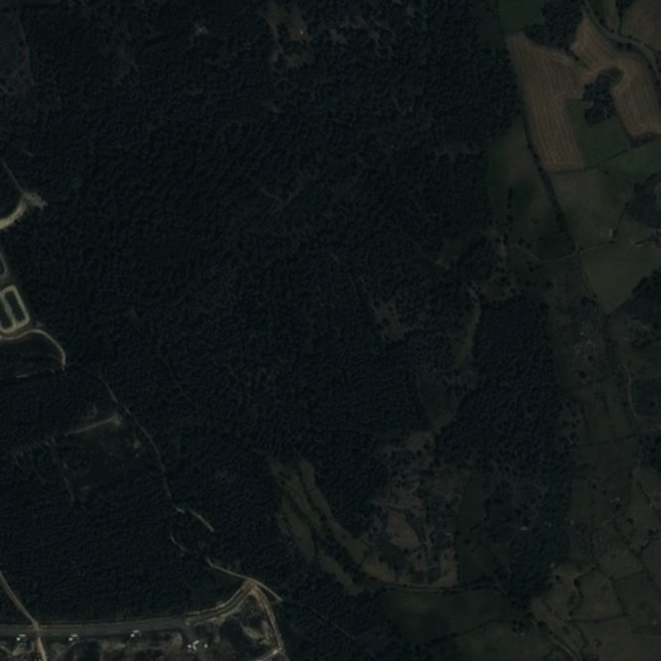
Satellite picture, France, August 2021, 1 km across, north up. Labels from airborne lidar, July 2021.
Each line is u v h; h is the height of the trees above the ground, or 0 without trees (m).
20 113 16
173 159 20
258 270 13
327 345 20
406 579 0
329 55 12
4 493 22
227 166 19
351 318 19
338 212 19
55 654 0
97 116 14
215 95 20
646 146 0
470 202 19
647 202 0
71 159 26
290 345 17
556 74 0
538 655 0
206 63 10
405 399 20
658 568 0
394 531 0
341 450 23
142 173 25
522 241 10
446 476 0
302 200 8
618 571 0
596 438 0
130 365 19
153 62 19
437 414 0
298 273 15
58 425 20
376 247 19
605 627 0
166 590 22
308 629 19
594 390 0
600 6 0
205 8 12
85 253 8
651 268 0
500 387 13
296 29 0
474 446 15
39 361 17
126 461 0
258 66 23
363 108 18
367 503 17
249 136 21
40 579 19
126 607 22
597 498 0
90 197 21
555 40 8
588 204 0
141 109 23
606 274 0
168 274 12
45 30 18
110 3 8
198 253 11
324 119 17
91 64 15
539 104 0
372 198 8
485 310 17
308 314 14
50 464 16
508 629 0
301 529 0
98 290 24
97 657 0
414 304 9
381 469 21
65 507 22
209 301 17
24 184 21
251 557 14
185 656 0
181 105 23
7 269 0
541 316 10
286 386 20
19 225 18
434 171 16
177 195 20
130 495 20
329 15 11
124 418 18
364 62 16
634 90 0
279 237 6
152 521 23
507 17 0
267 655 0
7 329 0
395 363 23
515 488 0
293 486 0
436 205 12
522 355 19
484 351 21
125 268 18
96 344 9
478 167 18
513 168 0
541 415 10
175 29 16
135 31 14
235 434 13
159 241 8
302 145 8
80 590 23
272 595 0
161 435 19
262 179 21
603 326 0
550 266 0
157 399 9
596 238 0
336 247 19
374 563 0
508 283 10
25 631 0
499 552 0
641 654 0
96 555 21
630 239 0
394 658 18
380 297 7
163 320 21
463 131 17
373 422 24
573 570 0
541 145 0
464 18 13
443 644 11
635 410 0
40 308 17
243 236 9
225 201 21
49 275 22
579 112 0
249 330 20
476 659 0
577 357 0
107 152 17
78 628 0
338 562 9
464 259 14
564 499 8
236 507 21
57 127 17
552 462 8
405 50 17
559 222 8
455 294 6
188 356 23
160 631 0
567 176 0
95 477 0
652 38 0
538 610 0
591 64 0
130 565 25
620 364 0
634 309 0
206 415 13
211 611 0
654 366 0
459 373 12
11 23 6
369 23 14
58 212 18
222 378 22
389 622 8
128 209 8
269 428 23
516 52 0
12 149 17
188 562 24
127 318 7
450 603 0
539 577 6
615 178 0
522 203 0
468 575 0
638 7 0
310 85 10
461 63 13
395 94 7
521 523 0
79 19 16
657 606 0
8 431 21
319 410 22
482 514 0
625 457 0
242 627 0
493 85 11
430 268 0
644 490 0
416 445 0
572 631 0
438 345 17
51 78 16
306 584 6
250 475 24
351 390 24
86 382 24
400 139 9
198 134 25
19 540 24
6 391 21
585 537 0
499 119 16
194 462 20
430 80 16
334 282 19
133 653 0
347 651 10
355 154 12
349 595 8
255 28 19
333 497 25
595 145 0
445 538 0
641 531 0
